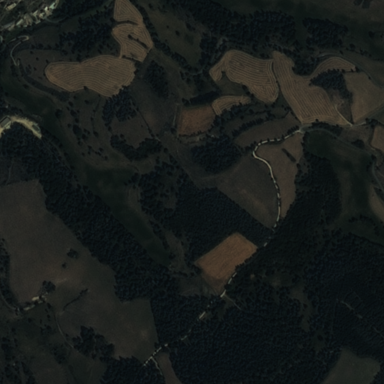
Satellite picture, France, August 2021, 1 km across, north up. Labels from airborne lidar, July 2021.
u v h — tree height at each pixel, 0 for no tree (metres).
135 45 0
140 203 8
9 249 0
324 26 20
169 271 13
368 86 0
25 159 10
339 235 17
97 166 0
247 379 10
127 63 0
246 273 11
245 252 0
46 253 0
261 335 14
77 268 0
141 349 0
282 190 0
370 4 0
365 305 11
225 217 18
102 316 0
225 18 15
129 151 13
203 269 0
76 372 0
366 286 12
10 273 0
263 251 15
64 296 0
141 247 14
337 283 12
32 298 0
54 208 16
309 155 16
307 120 0
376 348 12
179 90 0
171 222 13
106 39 12
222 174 0
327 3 0
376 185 0
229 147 17
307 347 12
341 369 0
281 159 0
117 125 0
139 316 0
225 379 17
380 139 0
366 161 0
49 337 0
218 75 0
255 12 0
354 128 0
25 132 11
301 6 0
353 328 12
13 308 0
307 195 9
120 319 0
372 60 0
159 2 0
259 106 0
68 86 0
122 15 0
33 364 0
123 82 0
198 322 10
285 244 14
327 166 14
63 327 0
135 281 10
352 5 0
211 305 10
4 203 0
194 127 0
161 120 0
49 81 0
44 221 0
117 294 9
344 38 7
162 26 0
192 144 0
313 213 19
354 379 0
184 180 9
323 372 11
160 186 12
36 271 0
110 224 15
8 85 0
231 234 9
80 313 0
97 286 0
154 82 8
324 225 13
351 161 0
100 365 0
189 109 0
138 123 0
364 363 0
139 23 0
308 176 9
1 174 0
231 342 15
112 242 19
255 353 15
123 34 0
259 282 16
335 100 0
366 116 0
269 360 13
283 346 15
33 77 0
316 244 12
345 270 12
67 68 0
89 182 0
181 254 0
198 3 21
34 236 0
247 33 19
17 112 13
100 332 0
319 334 0
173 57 17
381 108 0
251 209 0
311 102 0
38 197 0
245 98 0
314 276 17
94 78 0
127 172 0
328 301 11
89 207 16
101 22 0
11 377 10
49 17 6
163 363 0
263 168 0
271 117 17
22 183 0
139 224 0
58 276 0
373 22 0
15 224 0
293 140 0
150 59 0
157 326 13
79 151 0
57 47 11
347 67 0
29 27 10
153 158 0
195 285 0
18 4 9
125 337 0
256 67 0
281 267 10
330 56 0
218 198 13
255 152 7
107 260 15
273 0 0
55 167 19
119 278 13
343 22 0
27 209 0
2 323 0
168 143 0
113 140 15
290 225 16
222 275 0
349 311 13
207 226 14
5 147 14
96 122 0
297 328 10
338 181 7
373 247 13
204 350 16
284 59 0
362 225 0
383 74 0
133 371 17
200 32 0
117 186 0
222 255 0
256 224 15
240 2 0
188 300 7
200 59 0
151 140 10
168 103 0
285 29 20
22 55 0
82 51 6
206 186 0
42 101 0
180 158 0
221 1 0
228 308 0
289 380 9
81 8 12
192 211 14
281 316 16
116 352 0
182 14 0
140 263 7
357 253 13
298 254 16
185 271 0
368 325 12
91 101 0
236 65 0
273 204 0
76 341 11
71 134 0
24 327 0
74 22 0
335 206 14
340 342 11
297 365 8
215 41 10
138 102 0
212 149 12
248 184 0
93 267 0
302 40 0
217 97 13
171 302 9
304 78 0
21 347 0
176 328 19
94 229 17
